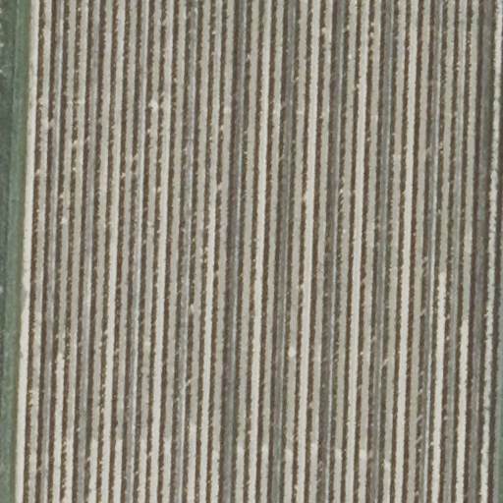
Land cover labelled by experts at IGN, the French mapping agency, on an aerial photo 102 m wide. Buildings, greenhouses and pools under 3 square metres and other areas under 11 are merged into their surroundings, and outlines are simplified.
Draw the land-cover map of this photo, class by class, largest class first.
<instances>
[{"label":"vineyard","instance_id":"1","mask_svg":"<svg viewBox=\"0 0 503 503\"><path fill-rule=\"evenodd\" d=\"M0 503H503V0H0Z\"/></svg>","mask_w":503,"mask_h":503}]
</instances>
